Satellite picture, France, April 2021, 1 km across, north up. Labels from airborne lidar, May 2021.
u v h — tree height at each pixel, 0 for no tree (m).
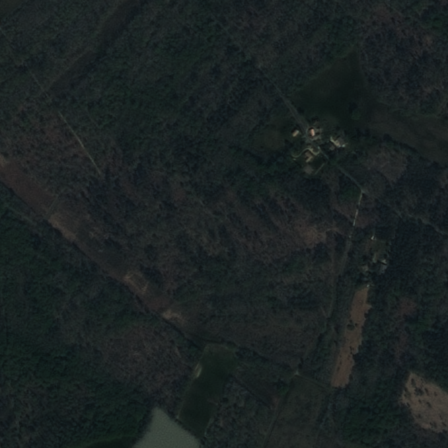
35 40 15
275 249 9
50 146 11
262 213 23
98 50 7
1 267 14
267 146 0
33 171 12
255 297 20
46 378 28
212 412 0
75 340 10
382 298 12
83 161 10
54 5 18
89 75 18
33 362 24
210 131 14
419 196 15
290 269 16
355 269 7
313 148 0
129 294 21
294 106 9
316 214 16
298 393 0
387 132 0
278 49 19
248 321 12
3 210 21
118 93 24
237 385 21
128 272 0
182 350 15
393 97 11
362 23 10
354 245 14
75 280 25
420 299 16
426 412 0
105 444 0
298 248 14
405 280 24
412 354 6
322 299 16
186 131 10
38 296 20
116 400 25
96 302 22
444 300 6
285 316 11
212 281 27
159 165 11
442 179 18
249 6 12
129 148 13
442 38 14
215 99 11
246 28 6
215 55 13
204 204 9
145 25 25
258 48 16
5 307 13
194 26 15
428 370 26
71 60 13
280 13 10
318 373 13
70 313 8
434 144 0
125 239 12
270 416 15
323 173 8
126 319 24
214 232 12
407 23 8
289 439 0
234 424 13
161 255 13
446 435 12
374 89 14
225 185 12
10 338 22
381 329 18
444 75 15
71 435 24
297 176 15
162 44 22
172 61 17
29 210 9
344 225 23
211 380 0
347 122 0
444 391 11
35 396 17
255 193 20
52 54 18
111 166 7
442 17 19
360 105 0
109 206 17
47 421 14
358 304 0
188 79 13
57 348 17
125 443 0
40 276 16
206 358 0
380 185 14
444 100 14
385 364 12
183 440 0
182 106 13
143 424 12
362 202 8
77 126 12
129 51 22
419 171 17
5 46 18
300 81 16
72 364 23
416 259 18
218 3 19
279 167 22
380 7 13
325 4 21
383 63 22
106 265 0
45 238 15
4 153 10
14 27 15
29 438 19
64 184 9
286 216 26
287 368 19
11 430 22
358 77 0
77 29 18
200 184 9
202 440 0
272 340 7
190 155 13
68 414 15
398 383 13
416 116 19
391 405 11
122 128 15
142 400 18
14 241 17
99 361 16
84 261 13
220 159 13
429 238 16
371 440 18
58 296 27
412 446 10
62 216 0
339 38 26
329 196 17
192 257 16
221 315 12
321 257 20
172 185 12
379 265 8
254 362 20
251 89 20
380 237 15
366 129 0
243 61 14
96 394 21
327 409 6
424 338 20
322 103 0
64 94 6
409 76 9
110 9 23
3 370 11
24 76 24
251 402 21
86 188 16
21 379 18
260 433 14
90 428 11
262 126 12
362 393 18
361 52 19
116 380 14
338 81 0
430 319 16
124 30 8
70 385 24
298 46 18
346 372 0
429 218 9
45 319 21
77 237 0
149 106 16
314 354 6
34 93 19
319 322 15
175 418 17
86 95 20
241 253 16
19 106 14
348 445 14
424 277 10
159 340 12
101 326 20
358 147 0
